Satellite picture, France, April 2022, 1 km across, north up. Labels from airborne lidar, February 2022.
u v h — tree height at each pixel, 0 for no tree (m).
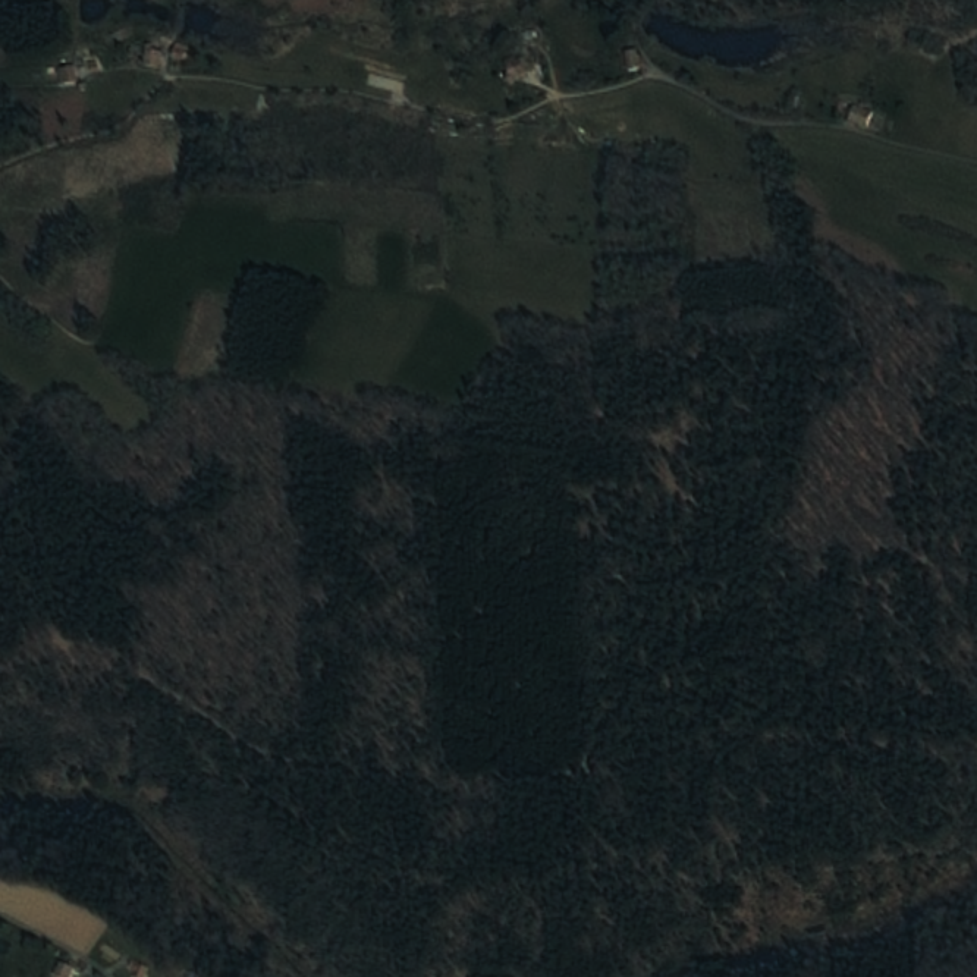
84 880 19
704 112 0
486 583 15
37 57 35
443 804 26
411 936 25
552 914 21
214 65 16
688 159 7
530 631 16
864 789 22
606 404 23
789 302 18
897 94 0
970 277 0
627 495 23
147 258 0
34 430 24
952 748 25
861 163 0
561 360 17
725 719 21
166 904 20
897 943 19
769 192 14
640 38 12
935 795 27
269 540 22
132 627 27
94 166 0
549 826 29
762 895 9
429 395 0
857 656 27
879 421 31
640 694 30
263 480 22
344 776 29
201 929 19
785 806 26
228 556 23
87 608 25
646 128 0
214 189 16
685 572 14
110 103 0
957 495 25
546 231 0
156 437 26
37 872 21
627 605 19
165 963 15
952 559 24
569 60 0
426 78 0
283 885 19
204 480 12
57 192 0
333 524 22
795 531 26
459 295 0
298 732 22
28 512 27
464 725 15
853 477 31
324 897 14
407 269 0
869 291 25
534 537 15
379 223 0
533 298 0
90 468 25
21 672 20
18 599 26
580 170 0
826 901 12
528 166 0
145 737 22
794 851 20
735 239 0
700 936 21
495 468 21
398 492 22
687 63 0
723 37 0
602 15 18
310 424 23
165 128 0
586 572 17
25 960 0
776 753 21
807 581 24
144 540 27
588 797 23
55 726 23
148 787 29
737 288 15
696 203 0
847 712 25
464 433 26
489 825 26
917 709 20
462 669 17
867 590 24
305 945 20
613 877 23
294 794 7
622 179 24
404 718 19
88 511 33
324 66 0
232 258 0
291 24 0
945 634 19
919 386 27
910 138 0
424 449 25
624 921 21
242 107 0
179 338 0
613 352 15
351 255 0
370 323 0
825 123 0
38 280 30
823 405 28
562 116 0
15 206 0
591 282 0
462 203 0
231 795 19
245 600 23
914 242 0
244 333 22
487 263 0
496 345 0
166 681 18
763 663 21
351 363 0
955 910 16
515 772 16
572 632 17
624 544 28
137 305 0
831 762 25
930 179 0
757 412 19
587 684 15
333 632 22
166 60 0
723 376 26
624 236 14
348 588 22
